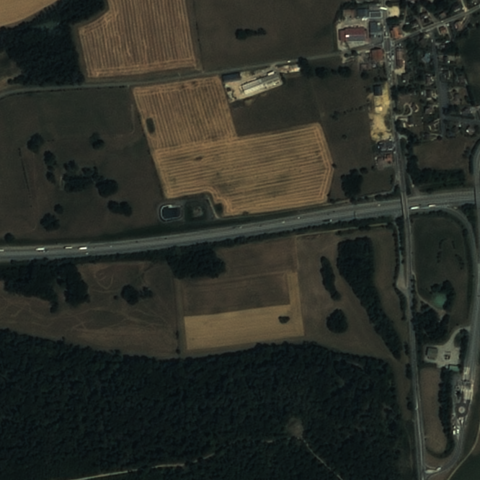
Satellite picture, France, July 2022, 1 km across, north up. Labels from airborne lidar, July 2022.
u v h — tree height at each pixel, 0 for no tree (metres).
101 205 0
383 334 26
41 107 0
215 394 25
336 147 0
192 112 0
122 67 0
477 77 0
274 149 0
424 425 0
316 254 0
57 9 22
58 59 28
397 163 0
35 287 28
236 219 0
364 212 0
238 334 0
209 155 0
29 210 0
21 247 0
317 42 0
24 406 22
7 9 0
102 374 20
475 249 0
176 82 0
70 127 0
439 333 12
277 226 0
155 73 0
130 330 0
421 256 0
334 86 0
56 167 22
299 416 13
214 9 0
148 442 20
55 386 24
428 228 0
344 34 0
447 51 19
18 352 22
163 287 0
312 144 0
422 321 14
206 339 0
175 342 0
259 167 0
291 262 0
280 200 0
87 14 24
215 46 0
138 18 0
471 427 0
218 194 0
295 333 0
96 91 0
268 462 15
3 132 0
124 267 0
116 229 0
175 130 0
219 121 0
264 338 0
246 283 0
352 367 26
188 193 0
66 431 18
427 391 0
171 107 0
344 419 20
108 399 24
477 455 0
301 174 0
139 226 0
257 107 0
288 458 18
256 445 18
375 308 10
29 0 0
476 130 7
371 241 19
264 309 0
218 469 9
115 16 0
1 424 12
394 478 15
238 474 17
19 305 0
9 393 23
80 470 7
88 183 10
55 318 0
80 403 25
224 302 0
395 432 26
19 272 8
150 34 0
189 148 0
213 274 18
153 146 0
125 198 0
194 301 0
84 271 0
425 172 14
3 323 0
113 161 0
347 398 21
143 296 14
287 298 0
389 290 0
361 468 20
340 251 8
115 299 7
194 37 0
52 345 20
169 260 15
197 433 24
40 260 6
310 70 21
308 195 0
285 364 27
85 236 0
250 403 18
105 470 7
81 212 0
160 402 25
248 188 0
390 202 0
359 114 0
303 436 7
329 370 28
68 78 20
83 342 0
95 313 0
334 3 0
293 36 0
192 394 25
